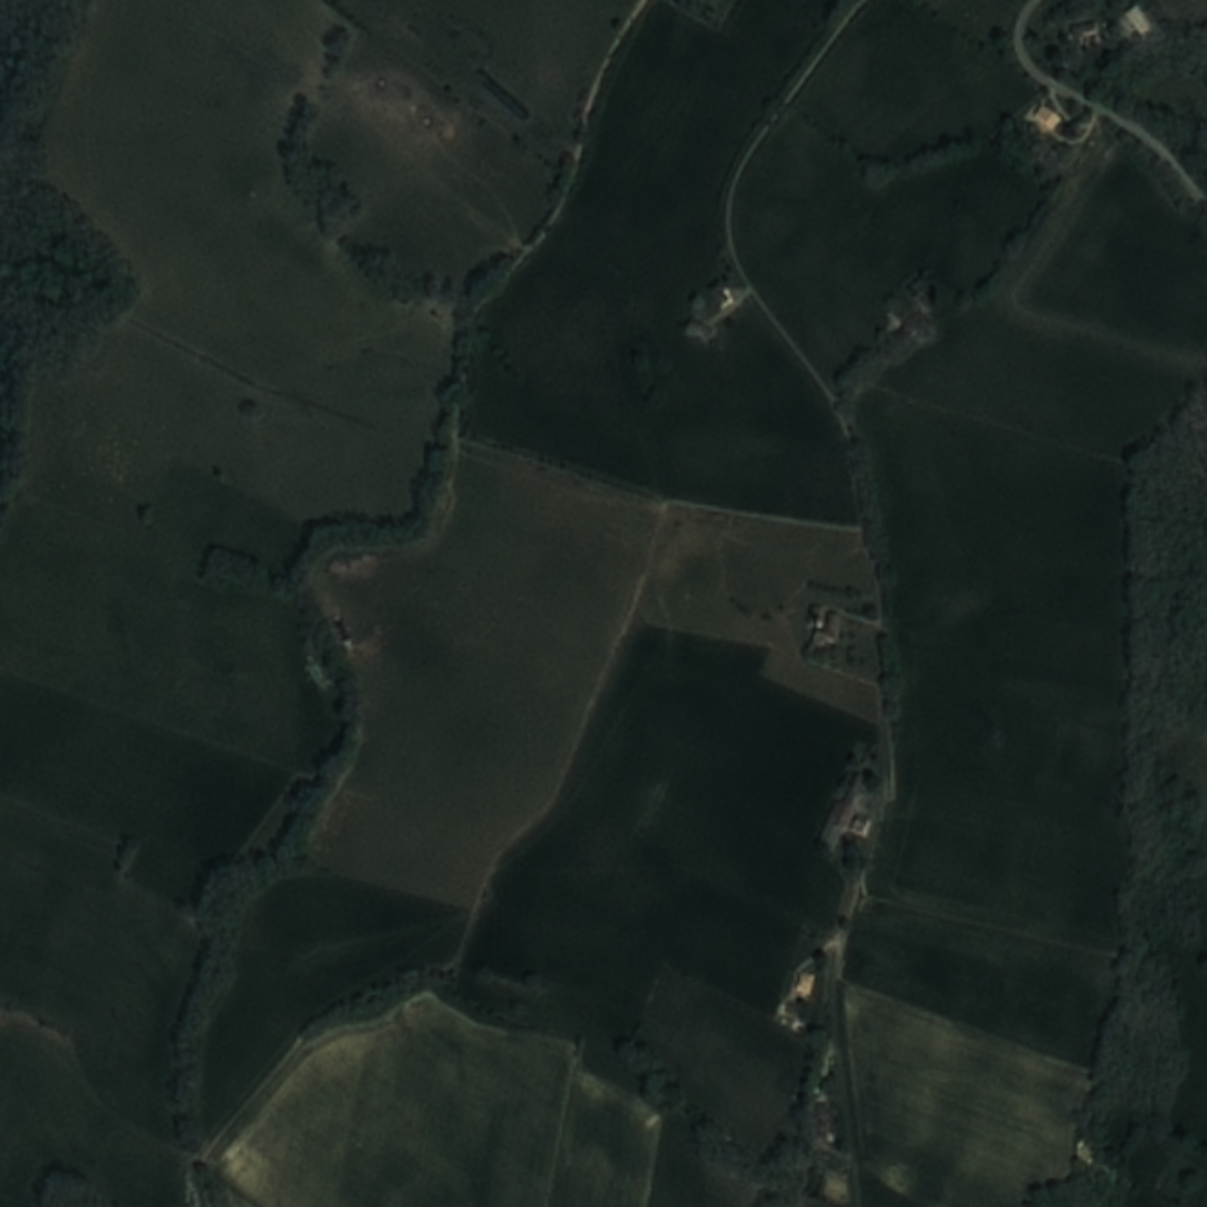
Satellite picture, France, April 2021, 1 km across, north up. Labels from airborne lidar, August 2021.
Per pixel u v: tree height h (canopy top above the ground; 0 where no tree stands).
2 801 0
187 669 0
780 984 0
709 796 0
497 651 0
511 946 0
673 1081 7
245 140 0
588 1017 0
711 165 0
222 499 0
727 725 0
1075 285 0
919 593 0
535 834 0
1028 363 0
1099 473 0
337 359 0
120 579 0
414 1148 0
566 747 0
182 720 0
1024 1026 0
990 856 0
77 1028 0
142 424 0
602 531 0
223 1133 0
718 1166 18
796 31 0
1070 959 0
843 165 0
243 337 0
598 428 0
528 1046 0
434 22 0
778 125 8
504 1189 0
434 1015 0
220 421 0
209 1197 7
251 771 0
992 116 0
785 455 0
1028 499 0
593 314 0
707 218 0
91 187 0
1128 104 20
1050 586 0
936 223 0
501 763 0
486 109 0
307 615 13
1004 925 0
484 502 0
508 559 0
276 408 0
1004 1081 0
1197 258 0
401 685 0
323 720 0
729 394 0
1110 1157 15
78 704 0
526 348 0
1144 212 0
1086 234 0
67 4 21
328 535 15
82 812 0
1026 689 0
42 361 15
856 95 0
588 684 0
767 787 0
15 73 13
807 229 0
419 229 0
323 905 0
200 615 0
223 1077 0
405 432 0
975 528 0
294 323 0
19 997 0
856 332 0
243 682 0
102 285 11
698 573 0
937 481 0
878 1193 0
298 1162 0
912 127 0
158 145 0
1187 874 16
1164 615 26
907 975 0
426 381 0
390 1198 0
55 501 0
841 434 6
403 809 0
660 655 0
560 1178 0
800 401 0
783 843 0
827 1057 14
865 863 10
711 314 0
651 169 0
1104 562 0
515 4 0
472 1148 0
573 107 0
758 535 0
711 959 0
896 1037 0
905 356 17
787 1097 0
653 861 0
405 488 0
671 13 0
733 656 0
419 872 0
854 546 0
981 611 0
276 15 0
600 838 0
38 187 20
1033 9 0
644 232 0
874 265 0
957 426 0
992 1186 0
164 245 0
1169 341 0
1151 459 22
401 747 0
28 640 0
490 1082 0
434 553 0
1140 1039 22
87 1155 0
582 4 0
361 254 7
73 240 19
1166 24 14
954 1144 0
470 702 0
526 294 0
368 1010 11
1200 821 16
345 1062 0
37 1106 0
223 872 16
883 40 0
